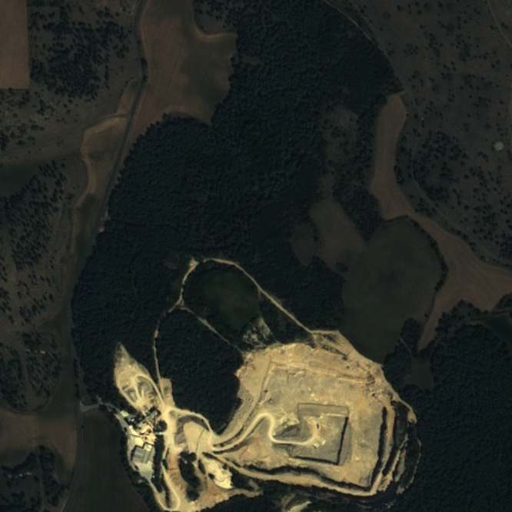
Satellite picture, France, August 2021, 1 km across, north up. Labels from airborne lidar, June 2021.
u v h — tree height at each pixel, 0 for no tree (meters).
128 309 8
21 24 0
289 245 6
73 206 0
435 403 15
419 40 0
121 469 0
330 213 0
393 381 10
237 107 14
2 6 0
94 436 0
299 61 12
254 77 11
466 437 18
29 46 0
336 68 10
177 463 0
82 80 12
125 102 0
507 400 14
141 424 0
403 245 0
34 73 12
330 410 0
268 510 16
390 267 0
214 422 10
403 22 0
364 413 0
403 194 0
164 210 15
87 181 0
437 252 11
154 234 18
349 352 0
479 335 14
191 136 16
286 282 7
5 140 12
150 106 0
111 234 15
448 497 9
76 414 0
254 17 13
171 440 0
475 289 0
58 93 8
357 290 0
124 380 0
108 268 17
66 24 9
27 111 0
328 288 6
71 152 0
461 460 14
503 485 24
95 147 0
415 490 8
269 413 0
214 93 0
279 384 0
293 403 0
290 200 6
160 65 0
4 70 0
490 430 12
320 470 0
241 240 12
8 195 0
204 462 0
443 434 16
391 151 0
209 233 9
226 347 12
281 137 11
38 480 12
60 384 0
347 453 0
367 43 6
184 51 0
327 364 0
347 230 0
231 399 9
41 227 7
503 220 0
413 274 0
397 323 0
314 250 0
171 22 0
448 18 0
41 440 0
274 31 10
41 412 0
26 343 9
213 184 10
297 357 0
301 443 0
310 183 7
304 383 0
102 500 0
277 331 9
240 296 0
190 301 8
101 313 13
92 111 0
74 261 0
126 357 0
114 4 0
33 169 0
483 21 0
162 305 14
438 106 0
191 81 0
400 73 0
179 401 10
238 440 0
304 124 12
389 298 0
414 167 8
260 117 10
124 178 13
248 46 17
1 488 0
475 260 0
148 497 16
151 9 0
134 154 15
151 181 16
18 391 18
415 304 0
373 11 0
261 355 0
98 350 16
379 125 0
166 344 8
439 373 17
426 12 0
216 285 0
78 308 13
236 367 11
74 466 0
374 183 0
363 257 0
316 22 9
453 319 9
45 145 0
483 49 0
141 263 13
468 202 0
